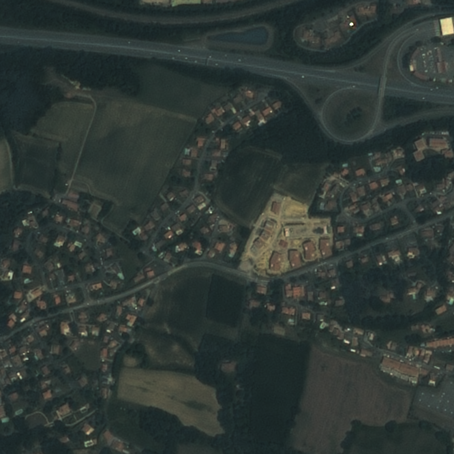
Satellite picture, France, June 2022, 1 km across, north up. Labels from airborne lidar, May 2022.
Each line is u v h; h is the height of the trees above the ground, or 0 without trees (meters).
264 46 0
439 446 0
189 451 0
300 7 24
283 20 18
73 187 0
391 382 0
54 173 6
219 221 0
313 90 0
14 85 22
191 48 0
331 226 9
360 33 14
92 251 6
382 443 0
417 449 0
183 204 0
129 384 0
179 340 10
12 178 0
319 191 13
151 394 0
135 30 22
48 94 16
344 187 0
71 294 0
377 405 0
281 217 0
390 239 0
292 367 10
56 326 10
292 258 0
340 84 0
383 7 19
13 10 14
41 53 18
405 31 0
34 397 22
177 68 9
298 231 0
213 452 0
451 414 0
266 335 7
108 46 0
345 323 9
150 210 6
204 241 17
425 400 0
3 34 0
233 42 0
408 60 11
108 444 0
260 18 8
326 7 20
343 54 14
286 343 7
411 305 0
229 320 9
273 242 0
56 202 0
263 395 13
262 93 0
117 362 15
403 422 0
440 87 0
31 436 24
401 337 0
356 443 0
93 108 0
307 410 0
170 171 8
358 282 21
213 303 10
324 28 0
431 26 0
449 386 0
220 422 17
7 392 14
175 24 5
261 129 17
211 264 0
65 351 11
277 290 19
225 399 29
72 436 14
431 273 22
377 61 0
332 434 0
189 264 0
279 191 0
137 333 10
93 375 9
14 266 0
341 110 0
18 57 19
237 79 15
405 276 0
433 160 22
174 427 13
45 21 10
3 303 7
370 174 8
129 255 0
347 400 0
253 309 6
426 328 0
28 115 17
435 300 14
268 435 13
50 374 7
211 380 23
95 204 0
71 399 11
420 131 11
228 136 16
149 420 29
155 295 0
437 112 0
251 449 25
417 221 11
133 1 13
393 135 17
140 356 18
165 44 0
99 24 16
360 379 0
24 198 16
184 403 0
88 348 0
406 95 0
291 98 6
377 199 8
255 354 10
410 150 23
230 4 14
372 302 21
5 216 18
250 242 0
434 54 0
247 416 11
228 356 21
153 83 0
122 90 6
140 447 0
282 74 0
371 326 17
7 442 22
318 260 0
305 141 14
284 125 22
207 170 0
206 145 0
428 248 12
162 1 0
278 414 11
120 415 0
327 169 12
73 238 15
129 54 0
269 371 10
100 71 18
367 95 0
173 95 0
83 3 17
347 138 0
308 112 21
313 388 0
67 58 21
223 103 6
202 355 21
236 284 8
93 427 12
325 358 0
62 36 0
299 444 0
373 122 0
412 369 0
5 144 0
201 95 0
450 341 0
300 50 7
